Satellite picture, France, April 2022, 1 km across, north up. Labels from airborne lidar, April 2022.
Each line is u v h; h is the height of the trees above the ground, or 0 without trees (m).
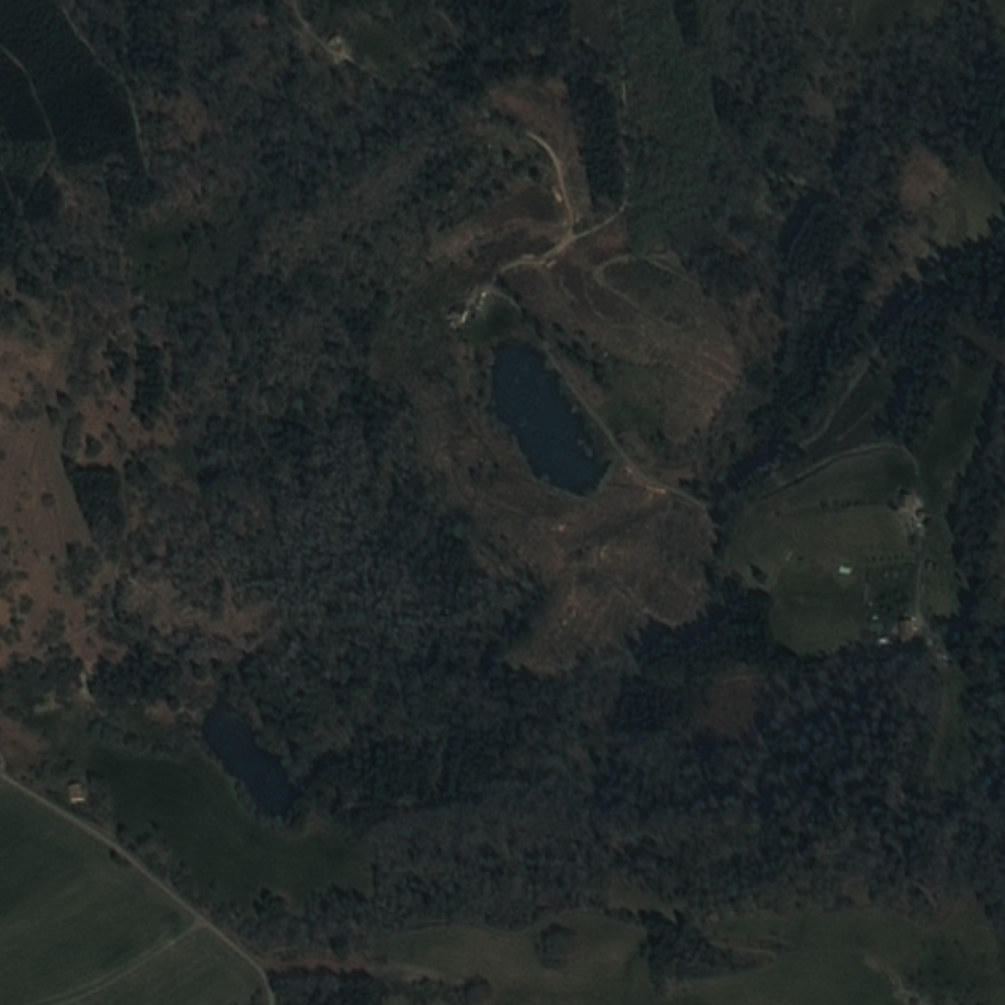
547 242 0
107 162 11
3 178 12
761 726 8
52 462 0
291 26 21
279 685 8
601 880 14
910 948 0
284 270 17
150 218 6
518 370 0
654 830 33
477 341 0
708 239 7
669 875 16
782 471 35
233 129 10
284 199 23
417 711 29
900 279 0
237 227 9
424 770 23
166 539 16
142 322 24
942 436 0
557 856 14
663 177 17
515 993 0
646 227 12
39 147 14
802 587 0
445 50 7
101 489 20
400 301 15
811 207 11
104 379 7
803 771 30
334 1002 17
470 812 30
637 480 0
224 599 23
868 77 14
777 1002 0
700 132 11
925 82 8
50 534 0
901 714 31
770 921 0
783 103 18
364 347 26
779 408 16
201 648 21
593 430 8
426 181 23
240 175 25
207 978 0
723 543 17
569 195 0
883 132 18
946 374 21
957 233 0
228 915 9
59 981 0
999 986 0
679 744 20
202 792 0
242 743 0
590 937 0
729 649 30
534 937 0
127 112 11
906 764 17
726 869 16
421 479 28
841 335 34
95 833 0
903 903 13
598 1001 0
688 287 0
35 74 12
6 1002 0
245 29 28
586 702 19
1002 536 25
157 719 0
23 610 6
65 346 0
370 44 0
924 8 0
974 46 17
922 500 9
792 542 0
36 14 10
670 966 9
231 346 9
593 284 0
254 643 18
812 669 17
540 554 0
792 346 27
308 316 34
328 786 25
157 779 0
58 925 0
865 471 0
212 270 13
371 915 11
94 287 25
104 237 18
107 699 11
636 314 0
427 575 19
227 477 24
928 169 0
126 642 13
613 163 16
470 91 17
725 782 30
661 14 11
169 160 20
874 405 0
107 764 0
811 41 19
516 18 21
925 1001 0
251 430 16
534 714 26
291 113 8
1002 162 27
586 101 26
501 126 19
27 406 6
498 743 12
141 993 0
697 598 0
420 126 19
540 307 0
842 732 24
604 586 0
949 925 0
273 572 25
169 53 29
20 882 0
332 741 22
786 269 20
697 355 0
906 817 10
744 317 8
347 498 26
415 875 9
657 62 10
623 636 0
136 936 0
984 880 25
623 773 19
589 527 0
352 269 6
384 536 25
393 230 17
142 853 14
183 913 0
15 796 0
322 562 27
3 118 12
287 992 16
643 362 0
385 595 28
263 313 21
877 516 0
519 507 0
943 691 29
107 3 17
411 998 0
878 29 0
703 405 0
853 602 0
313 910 8
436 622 27
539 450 0
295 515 25
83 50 13
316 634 20
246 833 0
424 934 0
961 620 0
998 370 21
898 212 14
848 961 0
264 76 21
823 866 7
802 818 28
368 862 0
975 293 20
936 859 23
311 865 0
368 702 24
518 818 29
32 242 6
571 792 26
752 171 9
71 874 0
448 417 0
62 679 14
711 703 10
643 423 0
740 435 8
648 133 14
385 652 21
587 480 0
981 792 15
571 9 18
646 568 0
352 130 27
